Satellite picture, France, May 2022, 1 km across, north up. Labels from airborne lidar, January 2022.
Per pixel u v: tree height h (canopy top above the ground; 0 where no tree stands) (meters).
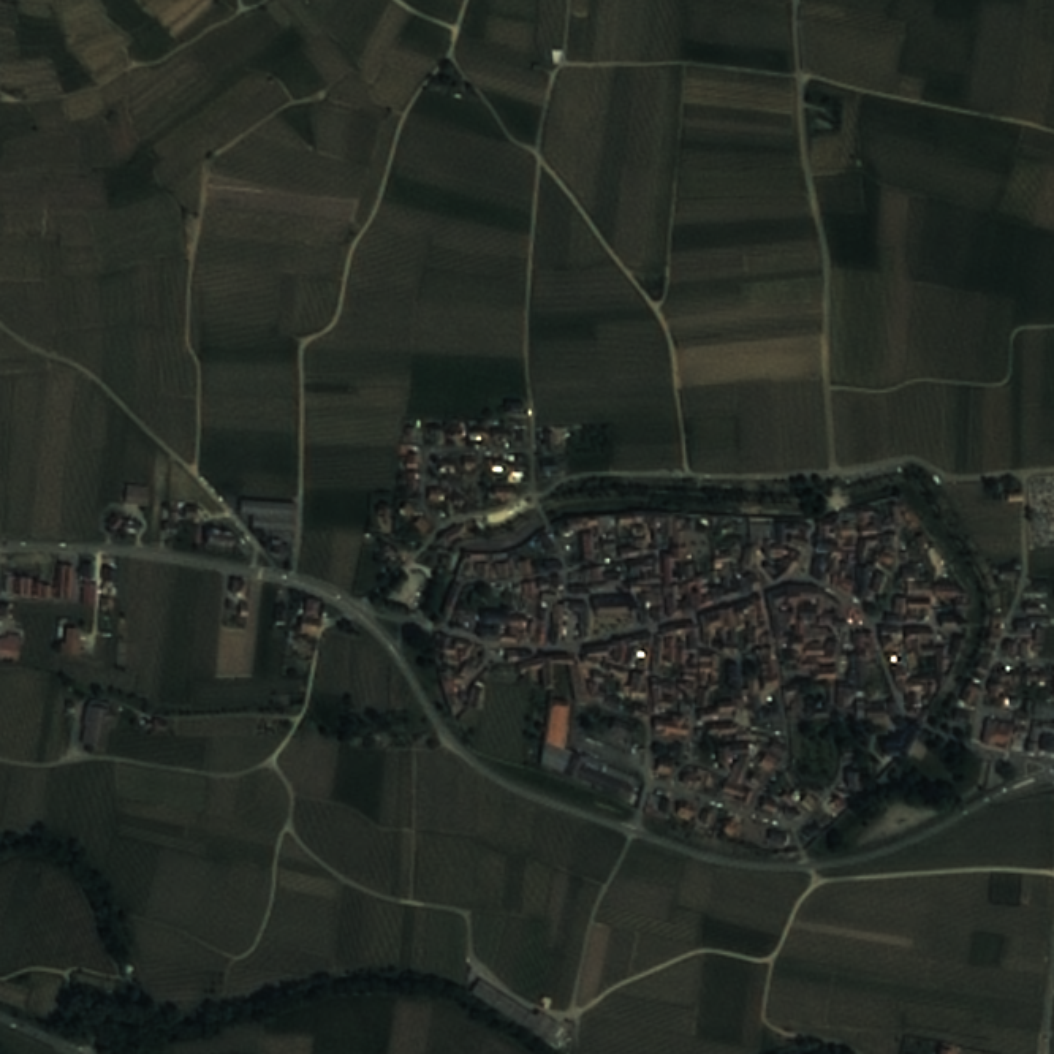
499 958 0
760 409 0
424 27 0
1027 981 0
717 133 0
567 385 0
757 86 0
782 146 0
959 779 11
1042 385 0
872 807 16
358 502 0
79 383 0
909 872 0
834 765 0
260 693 0
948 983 0
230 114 0
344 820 0
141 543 0
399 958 0
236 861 0
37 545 0
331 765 0
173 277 0
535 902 0
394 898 0
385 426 0
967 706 0
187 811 0
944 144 0
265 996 14
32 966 0
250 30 0
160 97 0
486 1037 0
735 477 0
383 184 0
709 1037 0
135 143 0
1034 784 0
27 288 0
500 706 0
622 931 0
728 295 0
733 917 0
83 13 0
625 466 0
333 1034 0
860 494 0
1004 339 0
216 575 0
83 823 0
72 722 0
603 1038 0
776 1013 0
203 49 0
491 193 0
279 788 0
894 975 0
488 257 0
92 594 0
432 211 0
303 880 0
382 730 13
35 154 0
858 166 0
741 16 0
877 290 0
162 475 0
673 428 0
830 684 12
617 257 0
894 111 0
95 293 0
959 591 0
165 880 0
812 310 0
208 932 0
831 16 0
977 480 0
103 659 0
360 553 0
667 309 0
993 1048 0
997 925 0
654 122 0
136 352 0
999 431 0
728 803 0
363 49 0
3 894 0
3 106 0
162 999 0
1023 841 0
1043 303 0
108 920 18
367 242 0
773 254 0
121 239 0
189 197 0
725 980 0
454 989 15
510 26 0
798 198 0
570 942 0
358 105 0
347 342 0
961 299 0
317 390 0
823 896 0
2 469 0
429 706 0
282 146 0
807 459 0
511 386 0
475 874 0
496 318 0
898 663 0
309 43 0
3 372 0
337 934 0
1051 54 0
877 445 0
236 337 0
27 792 0
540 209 0
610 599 0
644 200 0
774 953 0
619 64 0
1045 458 0
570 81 0
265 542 11
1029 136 0
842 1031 0
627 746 0
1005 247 0
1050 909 0
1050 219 0
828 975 0
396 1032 0
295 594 7
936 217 0
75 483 0
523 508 0
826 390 0
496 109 0
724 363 0
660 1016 0
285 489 0
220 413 0
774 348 0
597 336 0
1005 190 0
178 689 0
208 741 0
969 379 0
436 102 0
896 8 0
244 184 0
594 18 0
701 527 7
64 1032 16
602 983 0
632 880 0
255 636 0
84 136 0
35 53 0
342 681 0
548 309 0
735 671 0
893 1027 0
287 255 0
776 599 0
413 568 0
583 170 0
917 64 0
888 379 0
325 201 0
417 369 0
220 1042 0
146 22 0
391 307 0
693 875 0
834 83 0
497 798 0
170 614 0
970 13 0
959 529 0
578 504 0
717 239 0
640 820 0
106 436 0
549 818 0
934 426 0
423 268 0
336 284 0
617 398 0
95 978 0
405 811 0
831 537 0
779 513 0
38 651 0
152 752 0
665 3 0
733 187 0
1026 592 0
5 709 0
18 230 0
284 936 0
